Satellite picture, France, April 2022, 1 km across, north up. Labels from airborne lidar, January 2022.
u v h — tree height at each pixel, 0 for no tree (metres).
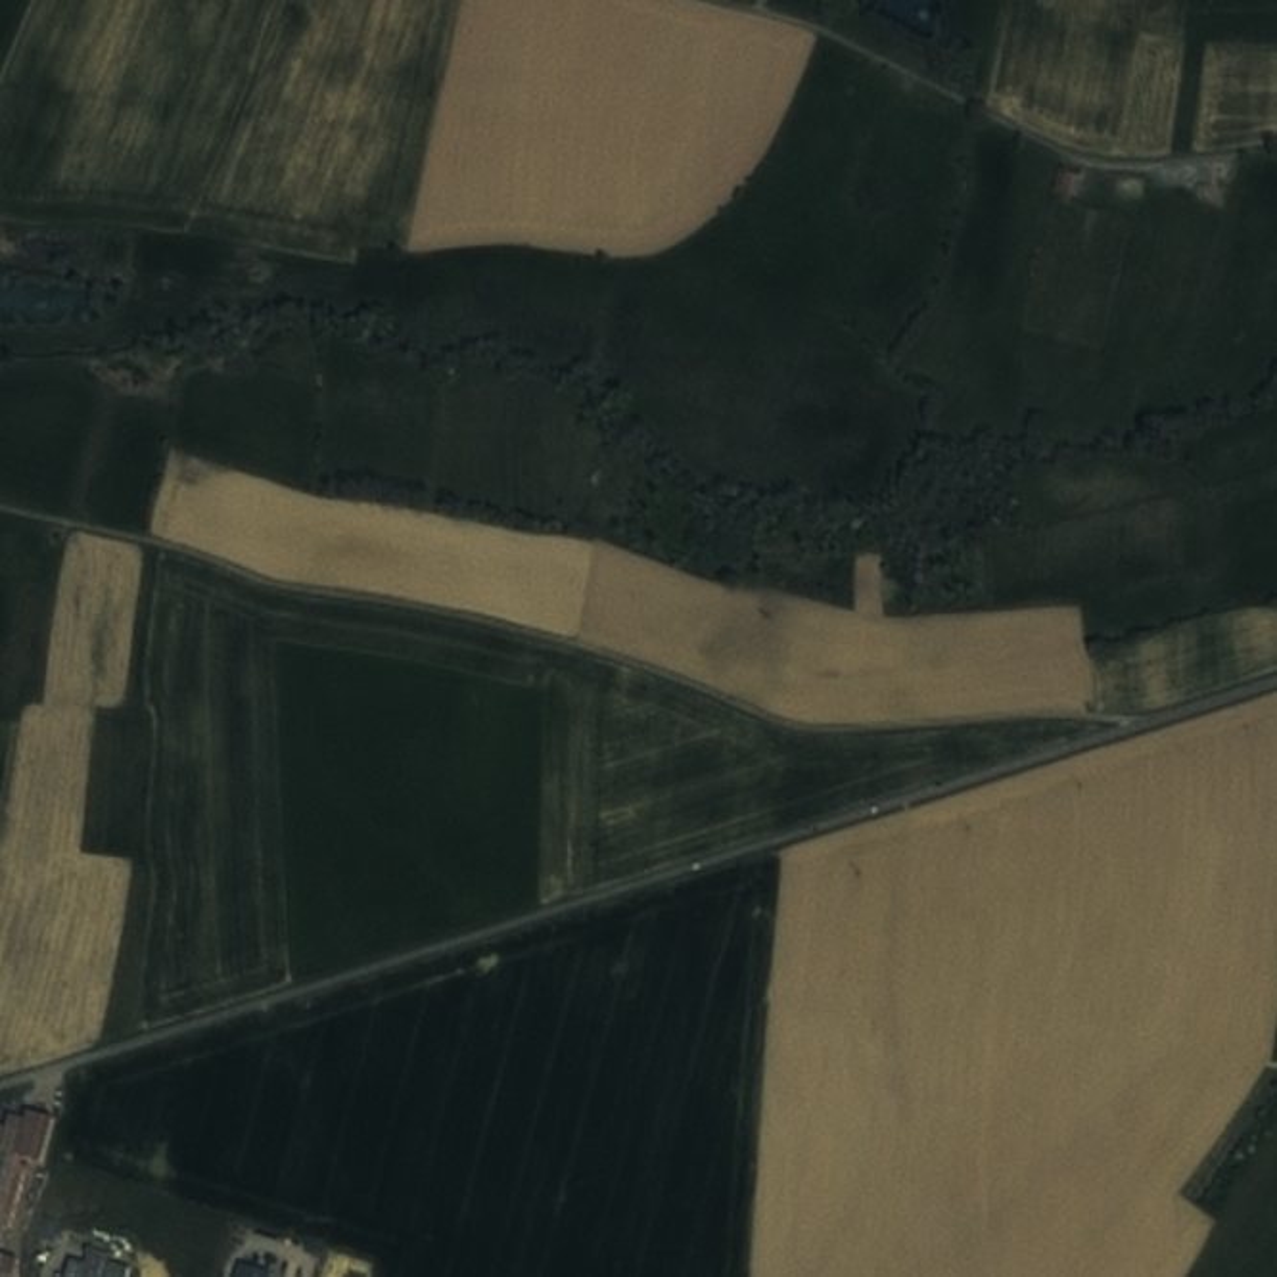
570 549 0
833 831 0
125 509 0
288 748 0
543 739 0
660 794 0
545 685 0
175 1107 0
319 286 0
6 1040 0
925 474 17
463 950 0
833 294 0
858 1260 0
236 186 0
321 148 0
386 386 0
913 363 0
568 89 0
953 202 0
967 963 0
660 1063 0
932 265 0
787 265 0
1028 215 0
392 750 0
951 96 0
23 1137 0
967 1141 0
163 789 0
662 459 13
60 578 0
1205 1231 0
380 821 0
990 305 0
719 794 0
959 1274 0
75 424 0
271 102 0
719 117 0
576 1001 0
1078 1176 0
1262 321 0
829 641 0
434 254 0
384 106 0
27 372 0
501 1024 0
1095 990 0
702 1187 0
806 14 0
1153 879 0
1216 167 0
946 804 0
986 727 0
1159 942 0
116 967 0
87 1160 0
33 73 0
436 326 0
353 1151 0
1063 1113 0
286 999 0
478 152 0
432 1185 0
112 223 0
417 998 0
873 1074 0
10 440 0
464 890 0
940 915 0
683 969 0
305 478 0
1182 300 0
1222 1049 0
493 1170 0
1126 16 0
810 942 0
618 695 0
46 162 0
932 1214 0
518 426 0
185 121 0
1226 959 0
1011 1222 0
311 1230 0
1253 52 0
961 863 0
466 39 0
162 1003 0
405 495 20
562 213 0
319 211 0
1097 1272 0
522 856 0
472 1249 0
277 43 0
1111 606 0
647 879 0
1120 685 0
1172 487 0
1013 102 0
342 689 0
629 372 0
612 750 0
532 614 0
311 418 0
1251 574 0
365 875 0
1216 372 0
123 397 0
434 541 0
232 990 0
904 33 21
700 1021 0
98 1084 0
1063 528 0
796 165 0
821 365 0
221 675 0
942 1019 0
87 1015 0
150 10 0
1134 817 0
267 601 0
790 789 0
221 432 0
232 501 0
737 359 0
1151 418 16
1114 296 0
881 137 0
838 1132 0
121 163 0
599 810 0
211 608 0
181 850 0
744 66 0
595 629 0
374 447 0
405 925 0
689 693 0
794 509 20
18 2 0
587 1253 0
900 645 0
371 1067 0
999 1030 0
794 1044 0
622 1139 0
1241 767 0
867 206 0
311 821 0
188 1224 0
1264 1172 0
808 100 0
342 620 0
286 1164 0
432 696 0
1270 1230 0
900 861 0
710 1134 0
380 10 0
